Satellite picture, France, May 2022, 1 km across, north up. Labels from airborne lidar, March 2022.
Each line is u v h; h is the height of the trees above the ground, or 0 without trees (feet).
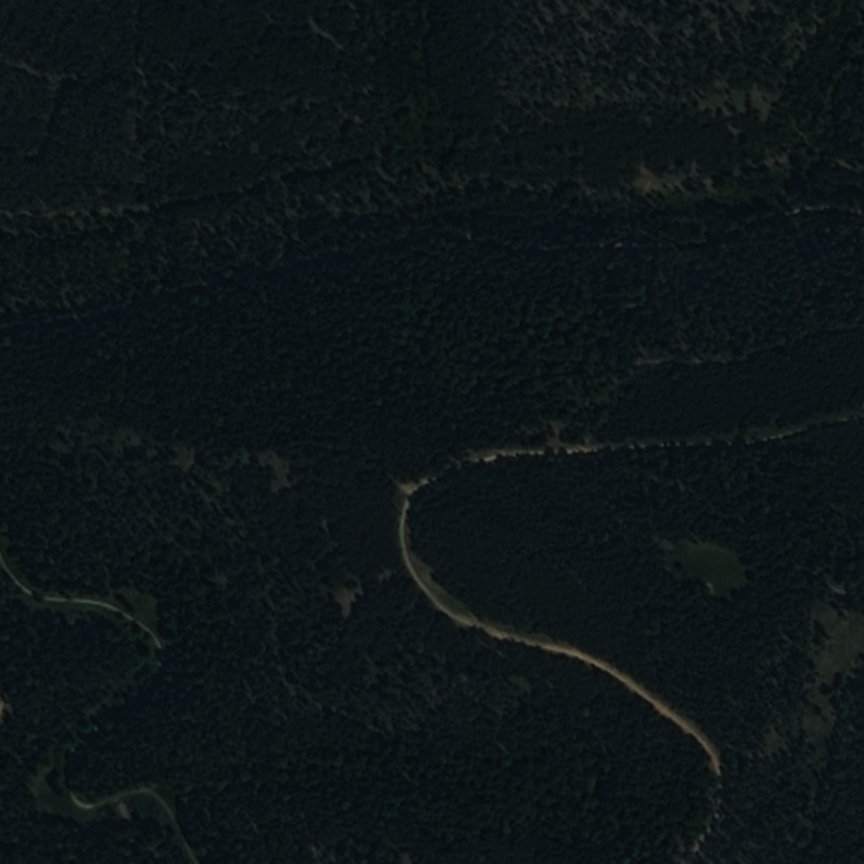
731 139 66
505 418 87
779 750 0
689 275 0
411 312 97
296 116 71
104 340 93
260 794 99
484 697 81
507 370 101
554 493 73
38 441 82
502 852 77
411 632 37
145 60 63
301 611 24
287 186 52
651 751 67
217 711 90
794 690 88
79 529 112
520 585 60
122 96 78
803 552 70
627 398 29
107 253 85
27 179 87
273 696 88
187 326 98
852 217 102
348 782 93
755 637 85
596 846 77
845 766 87
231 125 27
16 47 67
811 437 26
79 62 60
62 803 0
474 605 62
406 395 90
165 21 74
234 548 104
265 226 87
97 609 0
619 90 94
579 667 62
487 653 44
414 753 61
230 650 75
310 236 119
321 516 62
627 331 100
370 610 53
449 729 92
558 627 68
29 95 55
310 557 35
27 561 98
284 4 73
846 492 26
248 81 60
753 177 67
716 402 33
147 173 20
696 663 67
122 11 71
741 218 58
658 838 72
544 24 96
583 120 42
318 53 56
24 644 112
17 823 58
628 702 53
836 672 0
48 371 95
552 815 28
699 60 59
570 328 94
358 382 101
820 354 37
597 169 49
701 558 0
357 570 62
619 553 84
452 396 87
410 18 91
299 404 90
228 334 89
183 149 20
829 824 65
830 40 54
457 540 71
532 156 43
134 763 94
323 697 85
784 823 95
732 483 79
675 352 118
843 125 63
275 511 38
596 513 59
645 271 104
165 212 79
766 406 30
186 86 63
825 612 0
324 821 76
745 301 111
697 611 75
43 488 97
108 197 123
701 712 69
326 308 94
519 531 54
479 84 43
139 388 91
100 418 65
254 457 29
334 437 67
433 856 67
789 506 41
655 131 28
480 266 95
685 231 88
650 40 80
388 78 71
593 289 113
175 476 21
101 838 94
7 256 98
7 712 0
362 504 68
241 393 84
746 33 95
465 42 42
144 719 104
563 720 43
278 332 87
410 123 93
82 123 78
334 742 88
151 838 79
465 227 72
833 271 105
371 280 102
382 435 80
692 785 77
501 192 105
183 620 94
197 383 98
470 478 63
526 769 105
